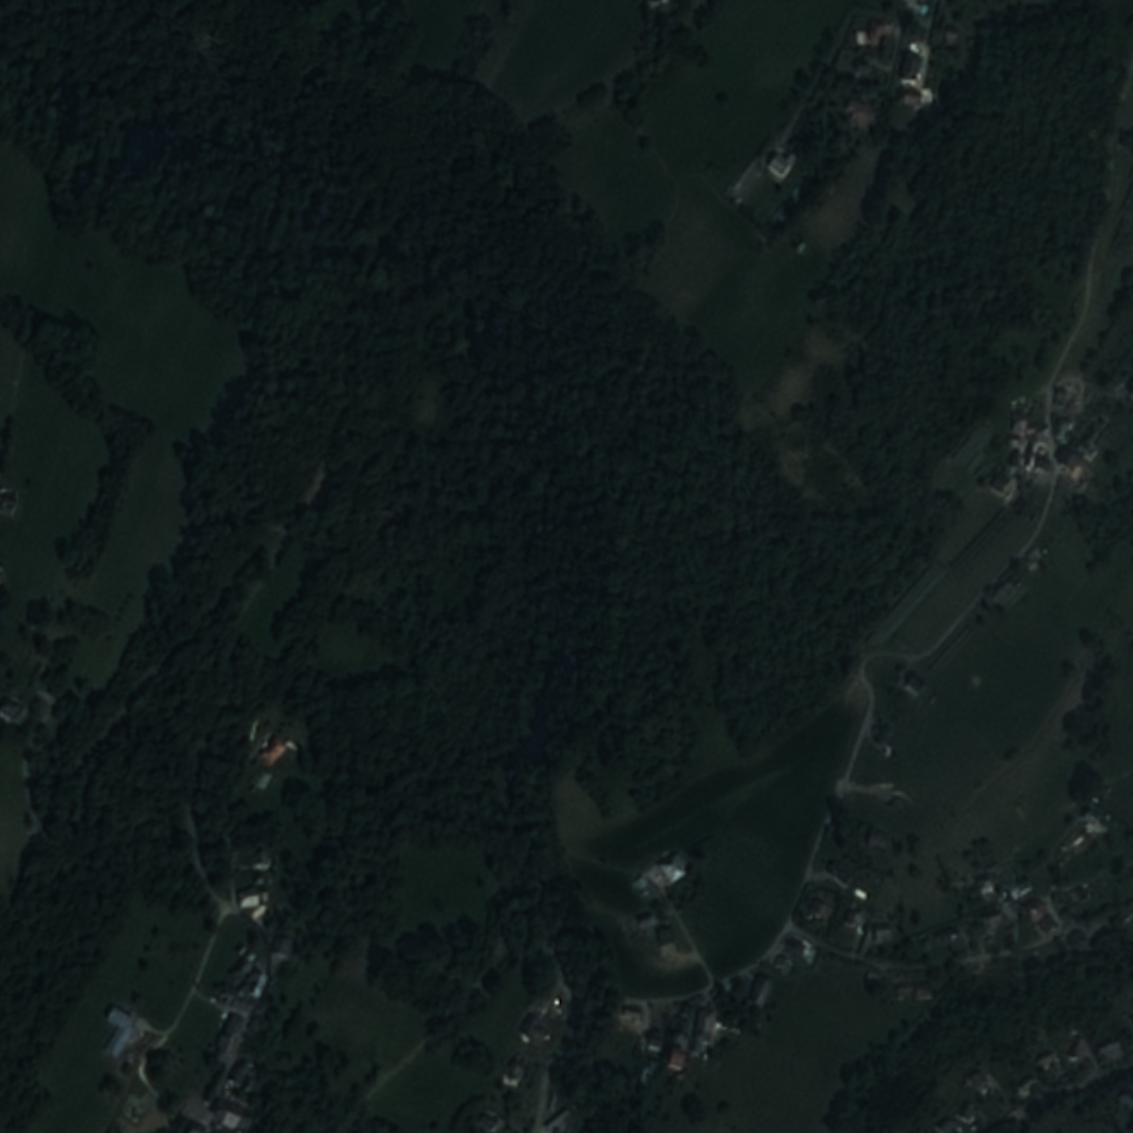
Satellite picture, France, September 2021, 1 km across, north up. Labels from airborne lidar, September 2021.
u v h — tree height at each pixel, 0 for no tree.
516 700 24
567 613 29
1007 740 0
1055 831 0
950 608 0
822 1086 0
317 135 39
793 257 0
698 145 0
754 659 18
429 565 15
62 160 27
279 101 25
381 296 20
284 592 0
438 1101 0
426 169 29
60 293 0
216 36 31
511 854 28
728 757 0
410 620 19
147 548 0
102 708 24
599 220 12
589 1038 30
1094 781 24
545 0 0
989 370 27
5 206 0
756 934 0
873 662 0
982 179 19
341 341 17
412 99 19
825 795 0
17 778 0
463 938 15
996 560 0
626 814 0
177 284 0
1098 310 0
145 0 25
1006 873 0
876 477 15
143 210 29
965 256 19
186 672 24
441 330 20
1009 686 0
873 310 16
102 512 12
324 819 27
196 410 0
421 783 19
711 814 0
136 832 19
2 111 34
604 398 30
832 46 15
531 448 30
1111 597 0
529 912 17
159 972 0
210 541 25
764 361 0
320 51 26
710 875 0
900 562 10
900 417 13
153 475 0
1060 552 0
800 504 14
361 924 18
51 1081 0
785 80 0
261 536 18
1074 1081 6
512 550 22
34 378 0
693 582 19
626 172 0
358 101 26
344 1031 0
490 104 18
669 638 22
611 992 20
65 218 21
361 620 14
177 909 16
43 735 12
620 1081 22
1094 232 22
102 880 25
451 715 15
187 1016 0
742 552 24
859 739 0
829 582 14
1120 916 11
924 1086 18
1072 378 0
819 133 13
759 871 0
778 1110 0
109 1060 0
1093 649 12
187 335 0
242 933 0
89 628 18
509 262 28
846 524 22
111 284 0
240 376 0
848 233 0
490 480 10
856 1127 22
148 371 0
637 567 21
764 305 0
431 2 0
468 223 31
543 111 0
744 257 0
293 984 0
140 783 23
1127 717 0
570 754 25
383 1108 0
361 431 32
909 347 16
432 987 20
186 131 33
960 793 0
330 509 25
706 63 21
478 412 24
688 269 0
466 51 10
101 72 19
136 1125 0
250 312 25
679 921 0
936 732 0
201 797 24
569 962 28
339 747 25
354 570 18
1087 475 0
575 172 0
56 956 20
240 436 28
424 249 15
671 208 0
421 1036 0
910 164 15
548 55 0
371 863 25
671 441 23
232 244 35
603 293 28
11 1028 21
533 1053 0
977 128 28
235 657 16
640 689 19
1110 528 21
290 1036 12
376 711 26
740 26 0
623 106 17
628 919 0
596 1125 6
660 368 9
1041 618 0
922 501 26
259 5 23
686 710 15
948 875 7
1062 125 16
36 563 0
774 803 0
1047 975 21
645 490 27
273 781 0
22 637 6
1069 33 26
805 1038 0
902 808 0
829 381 0
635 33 0
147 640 14
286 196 34
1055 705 0
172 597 28
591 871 0
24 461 0
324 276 30
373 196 27
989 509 0
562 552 27
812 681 22
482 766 22
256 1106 12
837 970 0
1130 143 17
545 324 29
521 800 19
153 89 26
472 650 20
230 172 30
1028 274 17
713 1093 0
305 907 24
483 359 39
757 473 12
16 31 28
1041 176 16
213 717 22
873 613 16
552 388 29
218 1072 6
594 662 21
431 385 0
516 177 27
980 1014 22
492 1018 0
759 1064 0
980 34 12
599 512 28
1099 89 20
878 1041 0
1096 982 24
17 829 0
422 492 15
